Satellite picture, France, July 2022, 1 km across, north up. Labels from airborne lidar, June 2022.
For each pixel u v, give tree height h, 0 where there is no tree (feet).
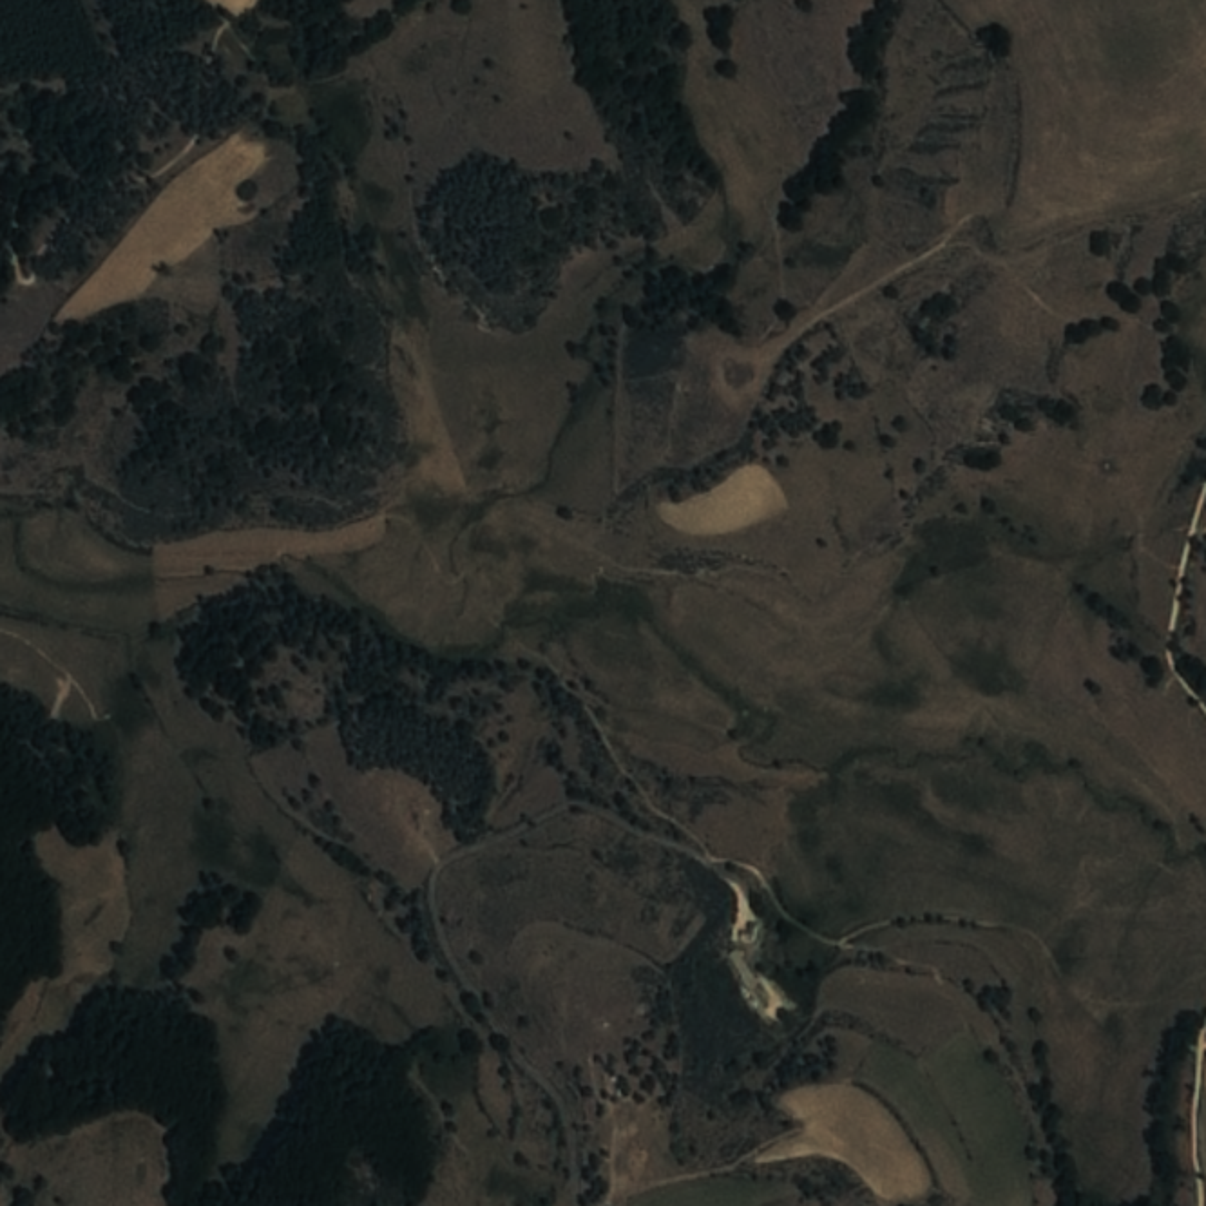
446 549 0
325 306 39
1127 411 0
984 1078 0
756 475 0
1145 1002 0
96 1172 0
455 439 0
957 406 0
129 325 40
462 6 55
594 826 0
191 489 21
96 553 0
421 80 0
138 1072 73
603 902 0
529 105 0
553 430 0
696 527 0
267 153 0
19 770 42
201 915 54
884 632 0
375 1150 65
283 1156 85
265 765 0
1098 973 0
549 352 0
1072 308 0
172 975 64
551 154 0
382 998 0
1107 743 0
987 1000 39
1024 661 0
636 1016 0
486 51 0
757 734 0
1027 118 0
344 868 50
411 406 0
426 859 0
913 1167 0
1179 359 55
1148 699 0
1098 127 0
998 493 0
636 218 32
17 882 72
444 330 0
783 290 0
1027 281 0
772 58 0
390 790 0
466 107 0
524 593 0
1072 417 39
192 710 0
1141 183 0
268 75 26
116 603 0
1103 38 0
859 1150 0
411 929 51
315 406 18
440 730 36
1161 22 0
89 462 0
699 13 0
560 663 0
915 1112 0
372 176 0
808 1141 0
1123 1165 0
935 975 0
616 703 0
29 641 0
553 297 31
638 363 0
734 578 0
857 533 0
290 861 0
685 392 0
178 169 0
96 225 52
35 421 36
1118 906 0
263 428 43
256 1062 0
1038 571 0
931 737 0
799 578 0
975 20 0
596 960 0
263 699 39
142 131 57
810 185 65
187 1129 56
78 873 0
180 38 43
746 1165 0
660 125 56
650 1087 36
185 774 0
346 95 0
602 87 55
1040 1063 34
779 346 0
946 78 0
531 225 53
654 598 0
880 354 0
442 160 0
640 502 0
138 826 0
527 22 0
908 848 0
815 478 0
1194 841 0
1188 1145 0
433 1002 0
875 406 0
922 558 0
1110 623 70
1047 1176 52
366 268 23
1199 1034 28
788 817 0
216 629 42
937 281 0
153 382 44
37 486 0
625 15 61
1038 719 0
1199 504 0
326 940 0
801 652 0
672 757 0
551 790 0
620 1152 0
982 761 0
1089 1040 0
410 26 0
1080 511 0
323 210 49
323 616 41
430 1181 51
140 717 0
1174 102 0
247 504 30
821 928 0
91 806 48
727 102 0
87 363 39
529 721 0
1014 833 0
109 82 66
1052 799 0
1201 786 0
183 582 0
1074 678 0
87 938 0
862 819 0
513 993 0
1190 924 0
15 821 73
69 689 0
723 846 0
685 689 0
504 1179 0
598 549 0
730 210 0
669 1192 0
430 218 50
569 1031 0
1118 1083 0
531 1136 0
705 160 49
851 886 0
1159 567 0
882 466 0
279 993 0
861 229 0
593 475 0
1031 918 0
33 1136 47
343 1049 51
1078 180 0
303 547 0
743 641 0
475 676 54
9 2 65
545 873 0
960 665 0
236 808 0
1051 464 0
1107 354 0
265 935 0
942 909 0
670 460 0
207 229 0
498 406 0
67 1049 80
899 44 0
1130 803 0
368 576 0
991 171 0
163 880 0
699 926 0
